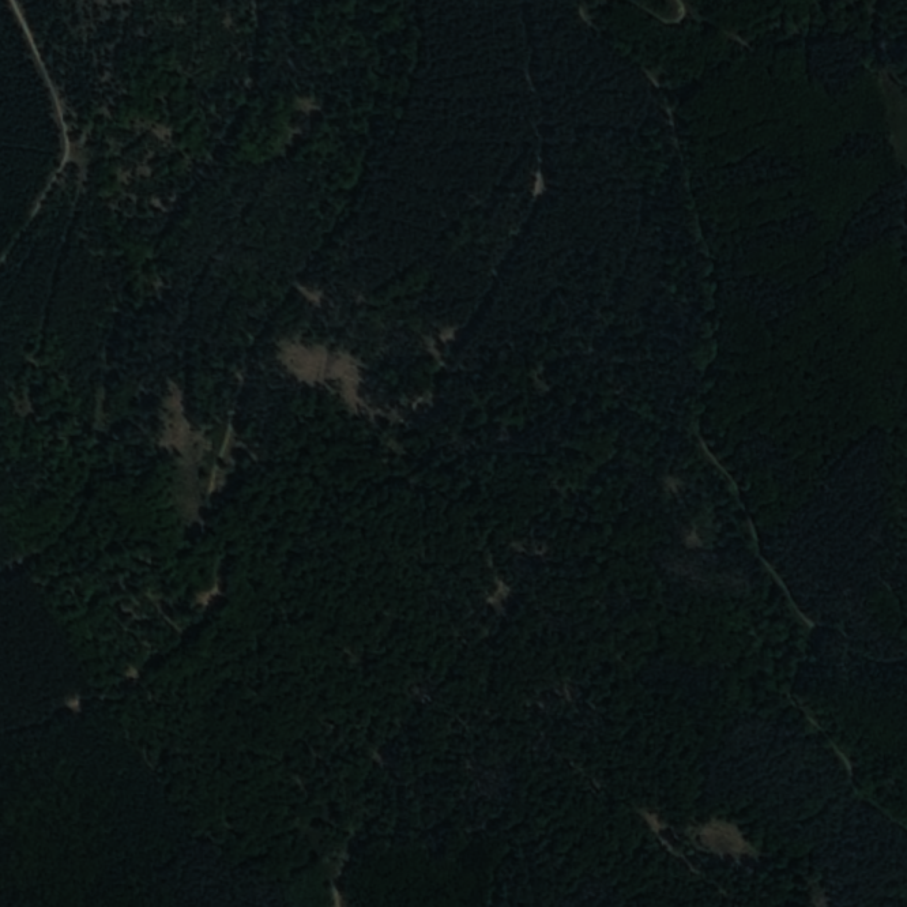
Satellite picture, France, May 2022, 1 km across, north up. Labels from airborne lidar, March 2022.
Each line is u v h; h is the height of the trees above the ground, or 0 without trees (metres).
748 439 22
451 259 22
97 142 9
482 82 27
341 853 6
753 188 23
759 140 22
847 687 13
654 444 37
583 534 32
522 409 30
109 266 13
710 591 24
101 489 22
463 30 28
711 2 9
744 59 16
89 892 20
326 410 24
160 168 12
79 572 22
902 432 16
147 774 17
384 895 11
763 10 13
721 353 20
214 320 20
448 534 28
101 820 20
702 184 22
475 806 28
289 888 26
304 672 24
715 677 26
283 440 31
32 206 7
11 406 6
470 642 25
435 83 24
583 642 27
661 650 27
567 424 31
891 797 16
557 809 33
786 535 28
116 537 14
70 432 17
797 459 23
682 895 30
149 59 12
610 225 23
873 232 24
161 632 32
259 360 35
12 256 8
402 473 13
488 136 27
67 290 14
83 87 11
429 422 27
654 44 12
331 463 30
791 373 25
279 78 23
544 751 30
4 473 17
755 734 28
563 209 22
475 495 34
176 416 0
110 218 16
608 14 17
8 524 13
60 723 20
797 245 20
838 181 19
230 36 6
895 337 19
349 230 26
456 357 23
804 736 20
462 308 23
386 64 30
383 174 21
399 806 32
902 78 13
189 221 21
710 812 29
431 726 26
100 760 19
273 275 26
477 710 26
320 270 27
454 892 9
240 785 28
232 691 26
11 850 18
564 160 20
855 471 29
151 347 39
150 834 18
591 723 29
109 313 17
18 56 8
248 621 21
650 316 30
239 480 11
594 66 25
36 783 18
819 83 17
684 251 39
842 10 20
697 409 27
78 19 10
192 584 22
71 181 6
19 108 16
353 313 28
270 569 25
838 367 23
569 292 31
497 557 31
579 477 34
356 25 28
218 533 24
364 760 31
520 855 17
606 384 34
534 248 23
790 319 22
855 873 27
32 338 9
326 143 25
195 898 23
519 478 35
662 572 28
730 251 20
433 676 29
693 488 18
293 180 22
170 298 31
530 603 28
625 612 30
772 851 16
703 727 25
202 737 25
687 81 9
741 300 21
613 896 30
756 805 25
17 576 20
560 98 24
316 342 15
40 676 23
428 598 25
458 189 22
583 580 34
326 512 30
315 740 32
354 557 27
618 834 28
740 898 33
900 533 19
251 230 20
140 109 15
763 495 24
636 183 26
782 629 21
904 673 15
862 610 27
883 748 16
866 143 25
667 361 34
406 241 24
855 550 28
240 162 21
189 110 17
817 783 31
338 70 20
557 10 24
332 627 27
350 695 21
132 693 21
